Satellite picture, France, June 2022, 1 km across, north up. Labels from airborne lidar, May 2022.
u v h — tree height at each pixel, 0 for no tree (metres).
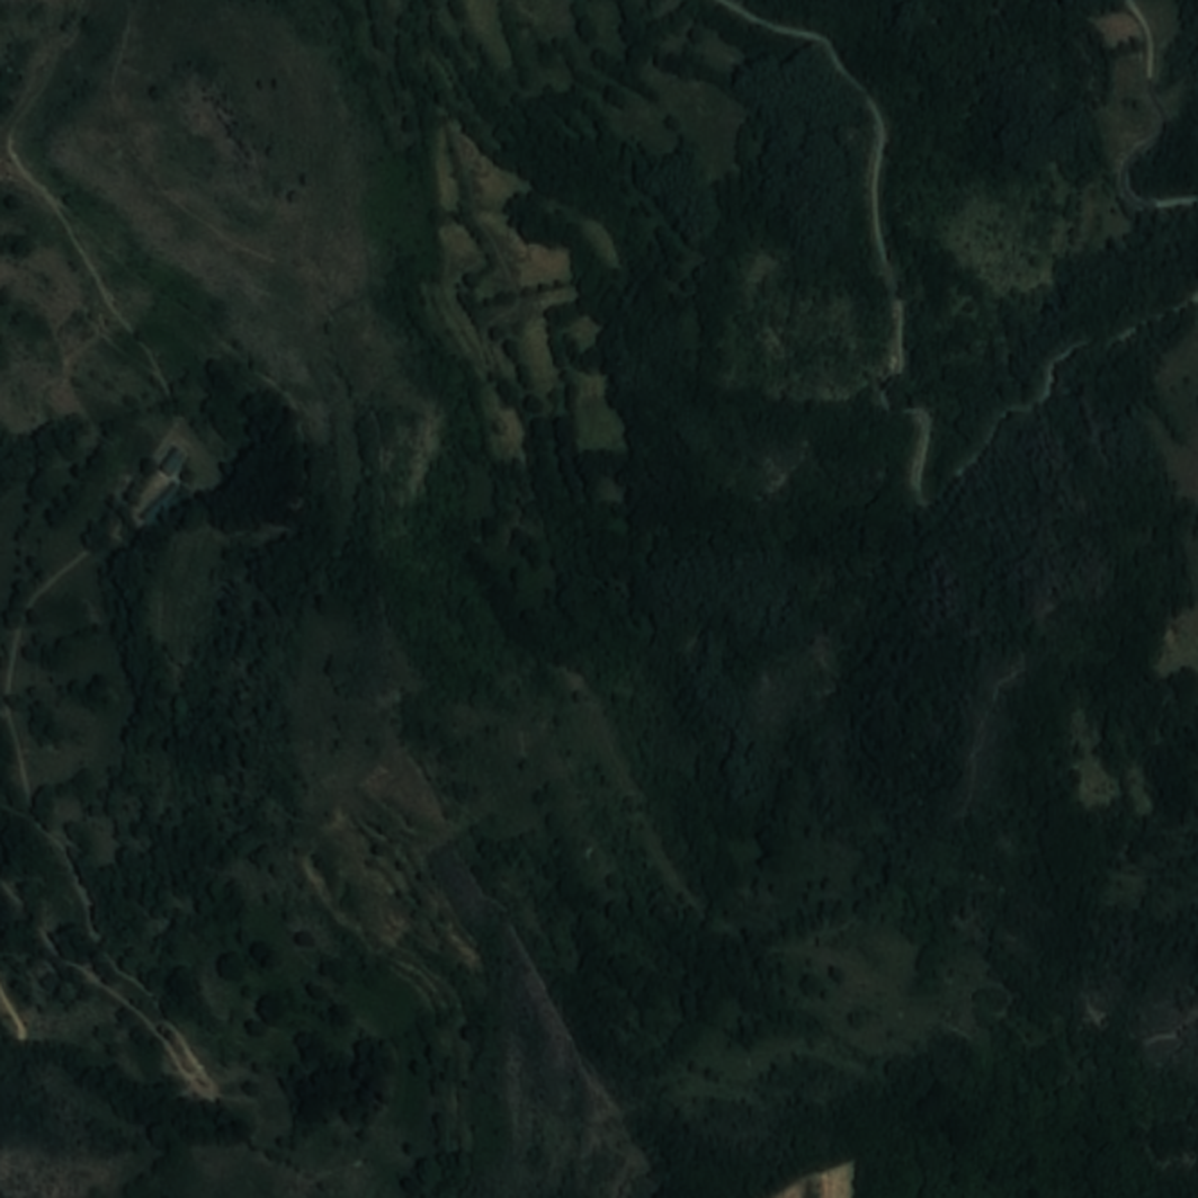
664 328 22
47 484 14
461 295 10
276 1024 23
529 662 12
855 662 19
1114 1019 7
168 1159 8
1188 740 9
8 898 11
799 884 0
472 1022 8
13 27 0
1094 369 6
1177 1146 13
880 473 10
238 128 12
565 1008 6
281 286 0
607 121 13
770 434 7
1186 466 0
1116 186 11
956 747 6
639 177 15
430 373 7
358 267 0
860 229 9
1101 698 13
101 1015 0
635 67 11
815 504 11
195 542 0
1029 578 17
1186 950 8
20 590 15
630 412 22
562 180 12
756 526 9
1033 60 17
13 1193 0
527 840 9
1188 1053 10
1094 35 13
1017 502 10
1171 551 10
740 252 12
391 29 0
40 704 11
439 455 8
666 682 10
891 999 0
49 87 0
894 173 10
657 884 10
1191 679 15
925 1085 10
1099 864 12
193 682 9
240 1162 0
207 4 0
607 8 0
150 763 7
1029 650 8
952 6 21
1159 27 0
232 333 0
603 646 13
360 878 0
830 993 12
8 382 0
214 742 17
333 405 0
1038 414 11
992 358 13
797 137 21
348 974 16
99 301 0
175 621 0
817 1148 8
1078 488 8
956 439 9
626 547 20
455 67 7
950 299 10
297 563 8
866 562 10
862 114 16
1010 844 11
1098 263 16
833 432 7
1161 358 7
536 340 0
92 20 10
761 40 7
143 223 0
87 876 20
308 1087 22
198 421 6
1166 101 0
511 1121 0
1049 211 11
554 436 17
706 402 11
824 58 25
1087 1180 16
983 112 18
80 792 7
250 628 17
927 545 18
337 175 0
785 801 17
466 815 0
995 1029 8
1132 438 16
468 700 5
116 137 0
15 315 7
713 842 16
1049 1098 10
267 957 14
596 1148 0
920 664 11
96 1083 15
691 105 0
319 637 0
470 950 0
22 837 11
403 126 9
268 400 11
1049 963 9
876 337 9
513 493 14
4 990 0
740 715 24
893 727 13
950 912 10
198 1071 0
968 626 9
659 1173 9
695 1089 0
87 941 17
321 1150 0
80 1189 0
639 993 10
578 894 13
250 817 12
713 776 14
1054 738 6
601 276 9
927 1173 11
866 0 11
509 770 0
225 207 0
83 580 0
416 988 0
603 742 0
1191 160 23
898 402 16
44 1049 14
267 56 0
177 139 0
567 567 16
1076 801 14
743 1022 10
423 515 9
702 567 26
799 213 19
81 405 0
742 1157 14
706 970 16
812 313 8
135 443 0
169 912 14
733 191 12
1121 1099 7
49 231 0
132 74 0
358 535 10
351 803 0
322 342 0
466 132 12
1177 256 12
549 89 11
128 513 11
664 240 19
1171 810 17
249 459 28
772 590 24
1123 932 10
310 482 7
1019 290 12
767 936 17
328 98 0
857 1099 8
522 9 0
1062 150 23
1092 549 7
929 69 14
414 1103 0
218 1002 0
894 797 6
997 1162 8
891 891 11
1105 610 13
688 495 15
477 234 10
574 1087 8
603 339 9
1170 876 8
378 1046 8
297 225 0
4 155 0
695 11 15
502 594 22
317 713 0
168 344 0
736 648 14
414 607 10
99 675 9
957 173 12
